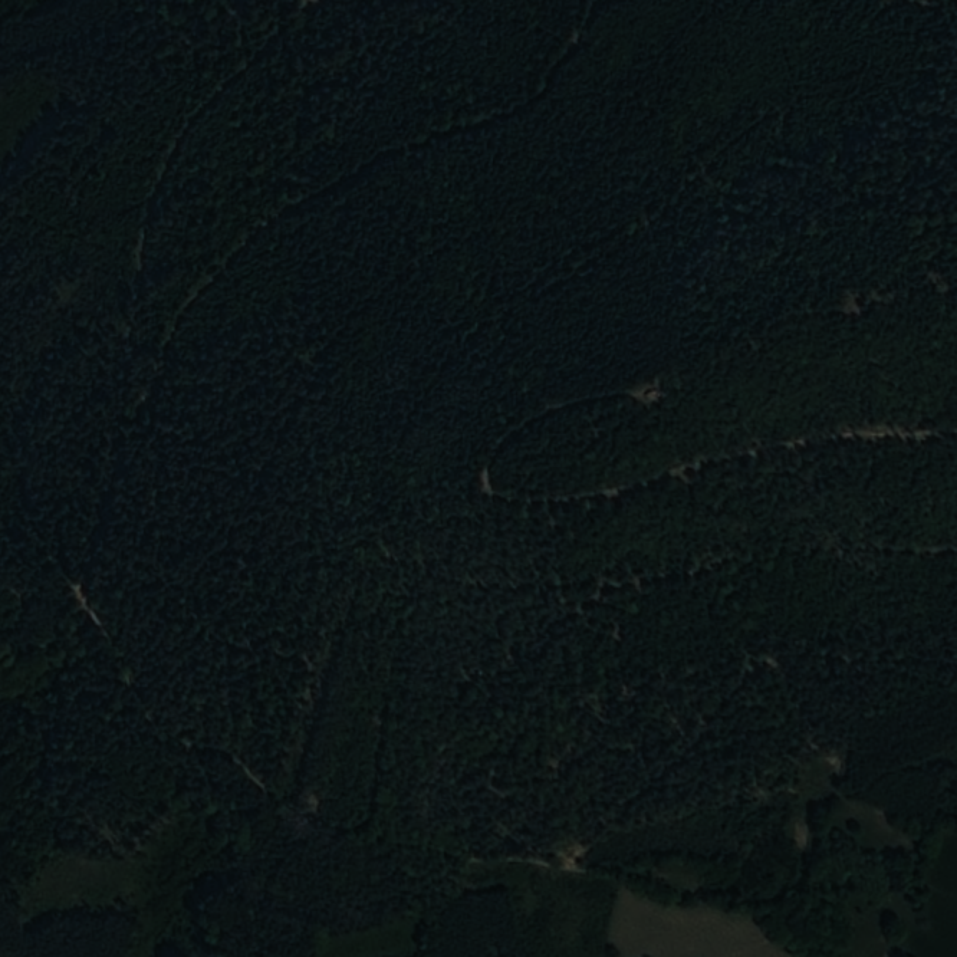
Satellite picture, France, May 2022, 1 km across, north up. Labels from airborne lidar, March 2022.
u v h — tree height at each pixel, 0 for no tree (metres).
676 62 19
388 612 10
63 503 34
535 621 14
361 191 25
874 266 10
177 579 29
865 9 16
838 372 9
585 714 28
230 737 27
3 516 16
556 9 23
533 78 20
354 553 18
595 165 19
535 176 17
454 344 21
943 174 30
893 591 16
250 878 27
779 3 14
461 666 13
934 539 9
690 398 12
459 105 20
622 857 6
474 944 20
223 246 13
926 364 12
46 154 29
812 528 29
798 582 14
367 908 32
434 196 21
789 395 9
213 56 9
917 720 22
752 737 26
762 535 11
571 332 16
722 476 14
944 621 23
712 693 28
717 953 0
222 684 32
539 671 30
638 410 17
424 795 30
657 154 15
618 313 12
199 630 21
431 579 21
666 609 16
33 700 38
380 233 27
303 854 28
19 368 31
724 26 11
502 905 21
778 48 13
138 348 9
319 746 18
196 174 11
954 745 9
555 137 19
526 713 30
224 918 30
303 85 14
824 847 20
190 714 28
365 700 10
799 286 13
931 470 16
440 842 28
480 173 21
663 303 19
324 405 27
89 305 10
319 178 26
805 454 27
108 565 33
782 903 21
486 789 32
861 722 18
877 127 11
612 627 14
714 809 9
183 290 11
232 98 13
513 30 19
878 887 27
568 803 29
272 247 12
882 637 13
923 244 11
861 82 8
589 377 17
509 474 13
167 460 33
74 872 0
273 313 11
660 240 13
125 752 15
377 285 20
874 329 13
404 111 24
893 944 8
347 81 12
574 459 16
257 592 18
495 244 21
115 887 0
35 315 31
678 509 11
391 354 24
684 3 18
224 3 15
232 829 27
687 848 7
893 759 25
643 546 11
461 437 15
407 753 25
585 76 12
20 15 19
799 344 12
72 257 11
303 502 24
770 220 26
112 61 33
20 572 37
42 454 35
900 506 10
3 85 30
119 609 32
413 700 28
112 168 14
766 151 12
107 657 32
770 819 10
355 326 13
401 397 20
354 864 31
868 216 14
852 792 13
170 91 15
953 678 26
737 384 9
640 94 19
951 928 0
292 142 11
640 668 14
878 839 0
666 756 33
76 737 31
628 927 0
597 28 16
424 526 23
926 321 14
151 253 8
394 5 37
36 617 22
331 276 24
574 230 11
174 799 28
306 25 7
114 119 14
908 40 12
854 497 12
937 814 19
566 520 16
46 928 26
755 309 9
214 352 26
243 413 30
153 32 36
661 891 19
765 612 17
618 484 12
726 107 7
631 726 27
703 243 7
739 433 8
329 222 25
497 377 15
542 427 17
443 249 20
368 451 19
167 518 22
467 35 19
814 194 23
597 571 13
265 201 10
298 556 29
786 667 31
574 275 5
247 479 29
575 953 0
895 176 29
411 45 22
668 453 13
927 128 36
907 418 9
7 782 19
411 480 13
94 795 31
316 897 31
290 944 33
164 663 30
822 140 11
